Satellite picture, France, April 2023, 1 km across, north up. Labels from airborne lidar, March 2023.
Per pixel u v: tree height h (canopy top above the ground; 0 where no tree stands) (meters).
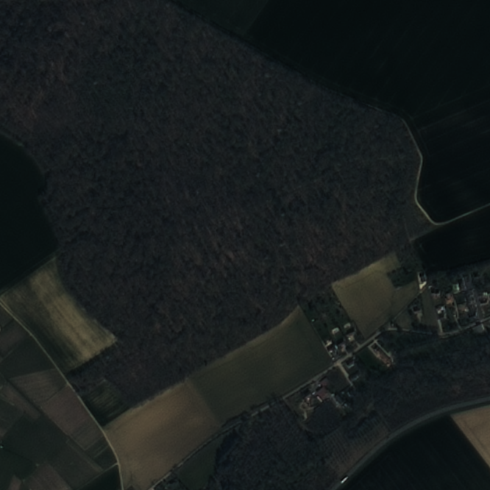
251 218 26
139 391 20
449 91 0
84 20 23
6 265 0
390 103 0
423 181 0
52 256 0
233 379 0
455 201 0
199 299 24
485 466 0
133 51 23
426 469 0
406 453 0
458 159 0
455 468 0
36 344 0
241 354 0
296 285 19
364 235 17
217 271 28
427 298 0
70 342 0
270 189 29
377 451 0
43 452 0
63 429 0
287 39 0
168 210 20
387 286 0
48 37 22
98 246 26
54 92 16
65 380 0
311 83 22
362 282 0
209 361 18
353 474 0
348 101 15
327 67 0
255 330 25
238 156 27
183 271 26
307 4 0
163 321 26
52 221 13
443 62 0
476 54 0
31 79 22
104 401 0
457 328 10
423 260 0
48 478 0
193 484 0
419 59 0
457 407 0
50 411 0
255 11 0
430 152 0
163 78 22
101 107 15
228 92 25
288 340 0
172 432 0
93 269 23
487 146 0
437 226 0
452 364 25
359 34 0
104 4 23
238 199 26
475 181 0
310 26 0
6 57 16
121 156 27
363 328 0
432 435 0
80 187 27
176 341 23
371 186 25
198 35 24
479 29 0
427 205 0
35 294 0
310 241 25
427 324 0
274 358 0
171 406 0
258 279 25
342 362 0
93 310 18
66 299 0
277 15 0
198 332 27
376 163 7
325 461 19
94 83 16
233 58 23
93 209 26
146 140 18
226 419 0
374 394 22
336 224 22
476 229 0
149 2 25
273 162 25
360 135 27
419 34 0
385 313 0
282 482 10
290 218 22
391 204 14
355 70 0
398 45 0
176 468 10
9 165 0
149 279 25
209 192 24
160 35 26
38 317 0
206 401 0
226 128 25
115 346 15
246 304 24
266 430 19
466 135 0
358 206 25
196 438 0
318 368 0
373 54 0
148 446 0
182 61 26
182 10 16
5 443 0
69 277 17
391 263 0
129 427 0
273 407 25
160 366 23
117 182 25
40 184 0
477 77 0
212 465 0
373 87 0
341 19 0
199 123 21
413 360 23
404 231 13
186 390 0
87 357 0
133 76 20
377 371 8
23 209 0
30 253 0
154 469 0
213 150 26
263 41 0
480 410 0
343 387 0
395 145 26
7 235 0
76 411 0
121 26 26
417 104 0
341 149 22
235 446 23
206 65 26
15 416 0
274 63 17
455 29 0
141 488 0
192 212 28
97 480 0
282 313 18
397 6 0
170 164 26
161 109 24
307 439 20
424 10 0
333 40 0
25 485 0
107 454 0
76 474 0
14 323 0
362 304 0
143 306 27
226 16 0
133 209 27
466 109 0
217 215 24
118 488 0
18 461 0
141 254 25
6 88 22
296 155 22
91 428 0
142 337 22
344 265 19
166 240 26
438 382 22
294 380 0
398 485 0
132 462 0
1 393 0
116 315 23
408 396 23
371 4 0
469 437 0
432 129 0
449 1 0
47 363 0
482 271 17
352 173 24
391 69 0
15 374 0
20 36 21
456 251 0
